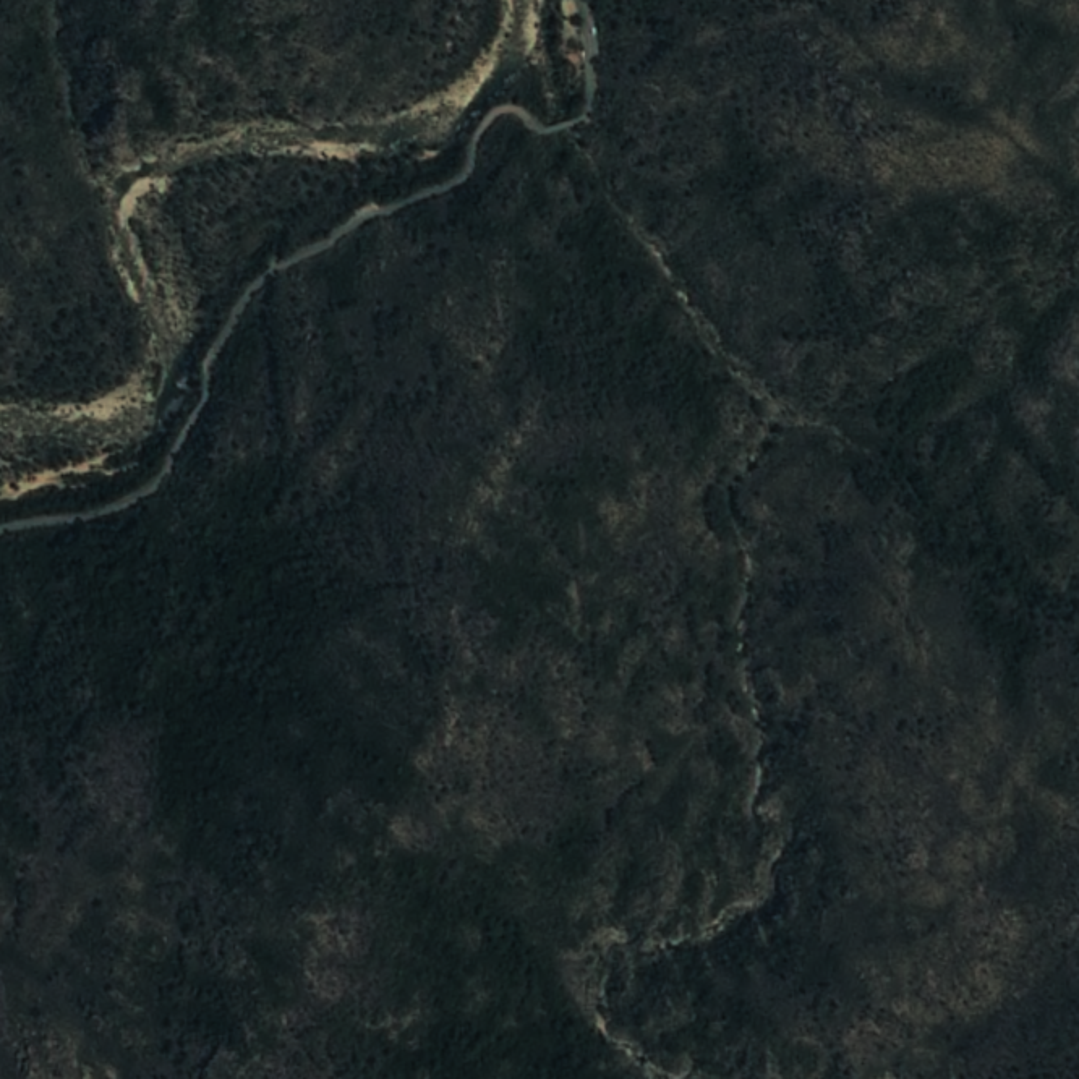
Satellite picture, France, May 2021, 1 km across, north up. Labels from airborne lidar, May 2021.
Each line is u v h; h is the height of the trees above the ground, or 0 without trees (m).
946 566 16
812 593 20
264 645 7
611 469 10
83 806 10
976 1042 14
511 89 6
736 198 9
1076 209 10
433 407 18
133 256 0
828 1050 14
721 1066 6
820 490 0
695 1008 7
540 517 11
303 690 7
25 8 7
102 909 14
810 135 7
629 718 7
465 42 13
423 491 16
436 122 0
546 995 12
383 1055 8
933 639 0
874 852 16
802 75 14
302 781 6
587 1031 9
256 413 9
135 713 17
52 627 16
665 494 17
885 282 8
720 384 7
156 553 6
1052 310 9
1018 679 6
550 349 14
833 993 11
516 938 7
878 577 14
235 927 14
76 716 7
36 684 19
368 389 15
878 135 8
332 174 15
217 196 14
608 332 10
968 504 6
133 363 9
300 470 18
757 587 21
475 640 16
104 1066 0
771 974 6
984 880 14
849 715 9
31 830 6
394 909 9
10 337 15
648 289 17
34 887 14
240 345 8
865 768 18
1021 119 0
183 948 13
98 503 21
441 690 10
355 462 16
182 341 0
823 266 13
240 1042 6
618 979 6
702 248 6
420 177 13
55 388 17
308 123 0
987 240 10
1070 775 9
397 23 17
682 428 13
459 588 10
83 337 20
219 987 5
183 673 13
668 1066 8
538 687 8
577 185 16
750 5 12
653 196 7
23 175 17
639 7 6
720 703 20
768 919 10
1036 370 6
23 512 9
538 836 17
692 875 9
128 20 7
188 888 17
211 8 9
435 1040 12
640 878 6
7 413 0
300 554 8
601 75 14
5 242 17
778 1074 7
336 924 7
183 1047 14
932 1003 18
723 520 22
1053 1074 16
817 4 8
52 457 9
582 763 13
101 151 9
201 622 20
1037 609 21
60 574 10
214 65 7
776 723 23
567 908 6
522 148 7
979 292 7
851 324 13
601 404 16
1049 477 16
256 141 0
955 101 10
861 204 14
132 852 12
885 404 13
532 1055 9
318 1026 17
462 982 9
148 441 8
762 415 17
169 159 0
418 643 10
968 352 10
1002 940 9
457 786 7
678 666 7
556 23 16
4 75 6
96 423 0
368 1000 14
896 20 13
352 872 9
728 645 23
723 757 7
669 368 20
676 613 14
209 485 9
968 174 0
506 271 8
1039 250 9
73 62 8
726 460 7
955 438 6
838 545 16
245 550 9
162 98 9
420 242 9
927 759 13
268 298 6
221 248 7
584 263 7
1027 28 11
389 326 17
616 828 16
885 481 16
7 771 15
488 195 9
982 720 0
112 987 6
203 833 12
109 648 5
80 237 19
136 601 7
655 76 16
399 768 8
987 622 7
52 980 12
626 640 8
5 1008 18
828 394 10
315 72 11
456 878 9
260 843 10
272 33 6
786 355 0
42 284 18
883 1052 19
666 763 15
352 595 8
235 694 7
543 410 12
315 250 0
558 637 7
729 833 6
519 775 15
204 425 8
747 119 9
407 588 17
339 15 16
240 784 7
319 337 10
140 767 22
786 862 9
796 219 11
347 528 19
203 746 8
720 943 6
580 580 5
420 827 14
